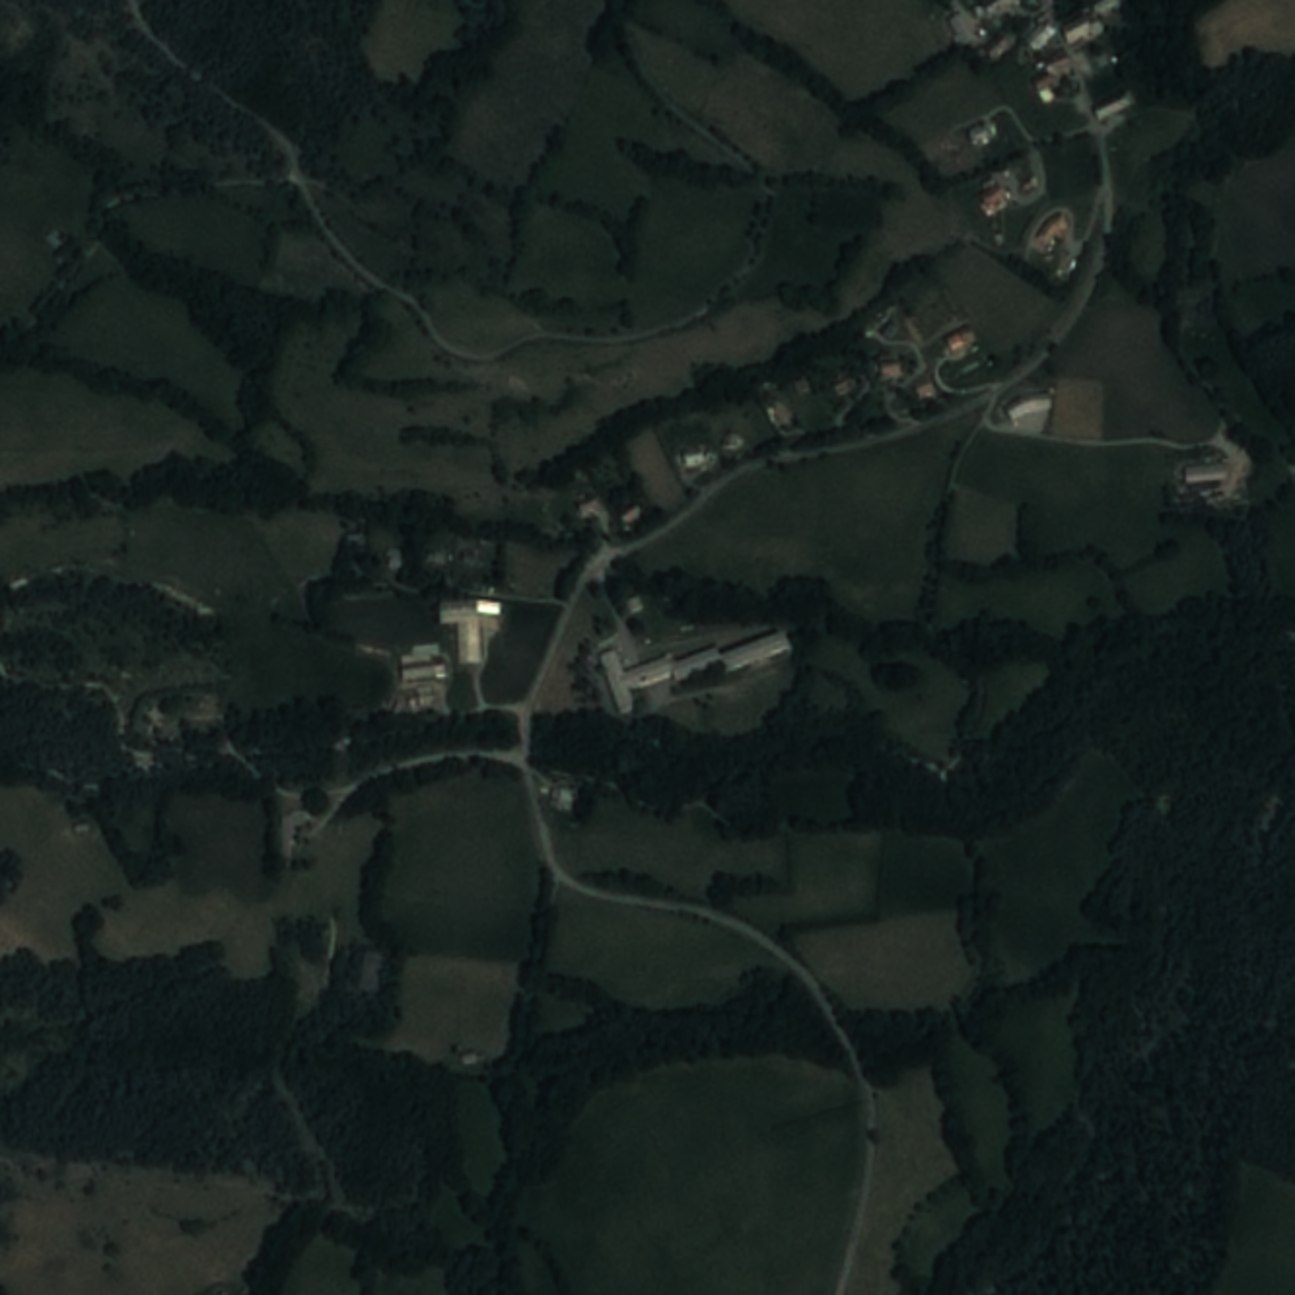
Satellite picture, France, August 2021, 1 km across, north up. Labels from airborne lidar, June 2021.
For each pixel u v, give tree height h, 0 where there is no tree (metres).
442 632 0
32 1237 0
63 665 6
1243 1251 0
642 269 0
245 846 0
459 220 12
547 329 0
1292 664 14
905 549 0
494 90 0
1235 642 18
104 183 16
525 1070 18
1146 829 16
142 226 0
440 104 17
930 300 0
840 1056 20
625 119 0
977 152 0
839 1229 0
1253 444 14
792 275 0
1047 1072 0
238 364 17
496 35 19
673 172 19
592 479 7
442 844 0
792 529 0
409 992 0
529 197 11
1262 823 12
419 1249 13
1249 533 13
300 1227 16
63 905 0
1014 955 0
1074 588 0
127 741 7
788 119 0
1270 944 11
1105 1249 17
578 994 17
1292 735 10
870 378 6
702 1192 0
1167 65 18
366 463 0
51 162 0
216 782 14
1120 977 20
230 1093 9
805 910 0
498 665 0
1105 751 10
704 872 0
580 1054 24
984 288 0
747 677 0
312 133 9
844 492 0
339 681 0
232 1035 17
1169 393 0
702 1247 0
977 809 19
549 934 13
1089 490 0
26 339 15
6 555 0
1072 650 19
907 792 20
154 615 5
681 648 0
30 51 6
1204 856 17
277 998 13
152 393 17
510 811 0
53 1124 14
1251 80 11
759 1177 0
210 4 12
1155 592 0
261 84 10
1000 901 11
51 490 19
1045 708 16
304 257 0
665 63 0
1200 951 19
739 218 0
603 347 0
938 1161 0
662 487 0
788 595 20
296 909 0
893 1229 0
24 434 0
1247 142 14
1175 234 16
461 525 10
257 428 14
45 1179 8
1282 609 14
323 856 0
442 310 0
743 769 17
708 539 0
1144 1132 19
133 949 0
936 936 0
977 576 15
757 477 0
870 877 0
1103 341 0
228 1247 0
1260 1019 12
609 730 14
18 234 0
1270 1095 21
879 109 12
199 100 11
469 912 0
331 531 0
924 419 12
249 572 0
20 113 18
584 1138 0
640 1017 22
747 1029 30
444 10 0
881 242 0
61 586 7
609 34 16
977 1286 17
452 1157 18
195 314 13
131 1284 0
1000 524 0
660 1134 0
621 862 0
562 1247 0
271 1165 11
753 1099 0
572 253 0
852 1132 0
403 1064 21
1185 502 0
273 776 12
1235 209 0
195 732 8
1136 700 10
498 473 12
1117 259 14
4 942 0
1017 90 0
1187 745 12
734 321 0
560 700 0
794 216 0
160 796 14
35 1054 6
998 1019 21
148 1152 11
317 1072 16
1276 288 0
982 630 20
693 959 0
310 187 0
